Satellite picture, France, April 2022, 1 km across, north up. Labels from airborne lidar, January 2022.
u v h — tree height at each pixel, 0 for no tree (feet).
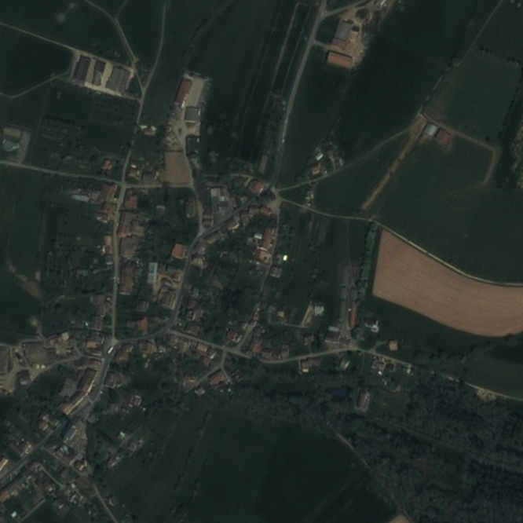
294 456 0
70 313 68
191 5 0
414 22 0
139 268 21
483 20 0
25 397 86
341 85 0
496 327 0
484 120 0
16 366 0
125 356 0
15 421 0
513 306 0
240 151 0
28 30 0
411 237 0
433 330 0
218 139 0
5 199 0
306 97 0
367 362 0
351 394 45
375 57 0
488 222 0
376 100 0
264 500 0
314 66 0
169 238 0
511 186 0
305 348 0
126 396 0
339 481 0
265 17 0
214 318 0
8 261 0
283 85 0
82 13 0
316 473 0
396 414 0
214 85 0
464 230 0
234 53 0
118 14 0
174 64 0
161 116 0
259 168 0
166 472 0
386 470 93
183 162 0
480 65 0
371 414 24
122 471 0
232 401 33
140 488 0
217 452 0
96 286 40
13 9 0
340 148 0
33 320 0
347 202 0
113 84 0
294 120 0
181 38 0
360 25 0
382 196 0
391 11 0
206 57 0
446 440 74
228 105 0
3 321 0
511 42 0
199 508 0
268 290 0
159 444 0
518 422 100
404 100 0
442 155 0
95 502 0
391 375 0
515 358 0
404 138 0
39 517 0
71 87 20
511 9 0
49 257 20
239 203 22
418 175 0
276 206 0
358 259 0
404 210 0
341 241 0
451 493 28
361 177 0
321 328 0
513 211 0
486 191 0
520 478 80
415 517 65
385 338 0
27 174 0
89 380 0
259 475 0
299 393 0
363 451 91
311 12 0
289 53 0
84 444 0
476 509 55
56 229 0
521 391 0
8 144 0
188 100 0
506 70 0
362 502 0
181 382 43
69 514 0
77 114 0
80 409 0
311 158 30
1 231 0
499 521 61
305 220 0
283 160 0
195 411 0
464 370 0
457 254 0
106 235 0
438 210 0
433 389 63
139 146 0
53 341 0
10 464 0
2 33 0
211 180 0
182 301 0
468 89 0
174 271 0
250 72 0
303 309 0
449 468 64
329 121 0
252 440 0
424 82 0
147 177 0
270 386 0
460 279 0
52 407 33
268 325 38
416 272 0
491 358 0
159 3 0
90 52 0
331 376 55
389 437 79
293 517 0
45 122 23
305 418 96
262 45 0
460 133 0
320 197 0
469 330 0
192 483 0
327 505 0
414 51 0
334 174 0
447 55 0
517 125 0
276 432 0
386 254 0
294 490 0
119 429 0
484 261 0
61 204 0
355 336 52
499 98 0
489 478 104
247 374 54
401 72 0
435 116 0
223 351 0
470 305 0
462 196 0
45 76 0
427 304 0
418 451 100
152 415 56
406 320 0
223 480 0
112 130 0
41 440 0
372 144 0
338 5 0
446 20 0
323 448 0
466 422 93
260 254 0
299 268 0
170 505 0
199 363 33
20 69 0
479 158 0
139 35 0
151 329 0
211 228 0
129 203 0
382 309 0
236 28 0
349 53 0
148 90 0
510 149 0
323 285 0
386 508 0
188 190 0
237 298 56
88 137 0
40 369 0
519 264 0
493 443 76
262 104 0
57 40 0
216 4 0
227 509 0
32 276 0
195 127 0
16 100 0
